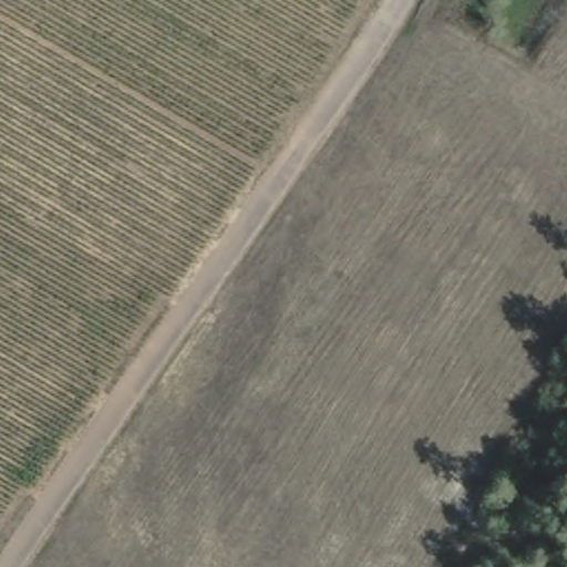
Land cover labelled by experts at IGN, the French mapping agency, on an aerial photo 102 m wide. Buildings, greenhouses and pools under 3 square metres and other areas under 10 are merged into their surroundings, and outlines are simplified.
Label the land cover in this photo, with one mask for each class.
<instances>
[{"label":"agricultural land","instance_id":"1","mask_svg":"<svg viewBox=\"0 0 567 567\"><path fill-rule=\"evenodd\" d=\"M467 0H416L405 24L399 29L385 55L357 93L339 126L312 155V159L301 171L288 195L281 199V204L277 206L264 230L257 235L239 266L224 281L219 295L208 306V312L215 317V323H195L175 346L166 363L159 368V374L155 377L153 385L135 405L117 436L104 447L95 467L86 474L84 483L73 494L71 503L58 518L51 536L44 540V545L40 547L29 567H439L434 554L439 549L467 551L474 543H485L496 551L505 547L501 543L503 534L498 529H489V523L481 516V505L485 503V496L489 492L496 489V483L501 478H507L503 474V467L512 461V456L518 450H527L534 441V427L520 430L516 421L523 425L527 421L529 408L538 401V394L545 388V383H563L567 388V0H540L536 9L527 13L518 40H514L509 33L507 38L496 40L489 33L494 27L492 20L474 29L465 20Z\"/></svg>","mask_w":567,"mask_h":567},{"label":"vineyard","instance_id":"2","mask_svg":"<svg viewBox=\"0 0 567 567\"><path fill-rule=\"evenodd\" d=\"M383 0H0V554L7 547L9 538L16 534L18 525L33 507L31 485L40 476L49 481L64 461L66 452L60 447V441L93 419V408L89 405V401L95 394L113 392L131 361L140 354L151 334L168 315L173 290L177 288L188 266L195 261L197 252L210 241L213 228L233 206L248 175L261 182V177L270 171L277 155L288 144L290 135L297 131V124L315 104L317 95L328 84L330 75L341 66L354 40L361 35L363 27L377 13Z\"/></svg>","mask_w":567,"mask_h":567},{"label":"impervious surface","instance_id":"3","mask_svg":"<svg viewBox=\"0 0 567 567\"><path fill-rule=\"evenodd\" d=\"M416 0H383L377 13L363 27L361 35L354 40L341 66L330 75L328 84L317 95L315 104L297 124V131L290 135L288 144L277 155L270 171L261 177V182L248 175L233 206L213 228L210 241L197 252L195 261L188 266L177 288L173 290L168 315L151 334L140 354L131 361L113 392L95 394L89 401V405L93 408V419L60 441V447L66 452L64 461L49 481L40 476L31 485L33 507L18 525L16 534L9 538L7 547L0 554V567H29L40 547L44 545V540L51 536L58 518L71 503L73 494L84 483L86 474L95 467L104 447L117 436L135 405L153 385L155 377L159 374V368L166 363L175 346L195 323H215V317L208 312V306L219 295L224 281L239 266L257 235L264 230L277 206L281 204V199L288 195L301 171L312 159V155L339 126L357 93L385 55L399 29L405 24Z\"/></svg>","mask_w":567,"mask_h":567},{"label":"coniferous trees","instance_id":"4","mask_svg":"<svg viewBox=\"0 0 567 567\"><path fill-rule=\"evenodd\" d=\"M520 430L534 427V441L527 450H518L512 456V461L503 467V474L507 478H501L496 483V489L489 492L485 496V503L481 505V516L489 523V529H498L503 534L501 543L505 547L496 551L485 543H474L467 551L439 549L434 554L439 567H567V388L563 383H545V388L538 394V401L529 408L527 421L523 425L516 421Z\"/></svg>","mask_w":567,"mask_h":567},{"label":"brushwood","instance_id":"5","mask_svg":"<svg viewBox=\"0 0 567 567\"><path fill-rule=\"evenodd\" d=\"M540 0H467L465 20L474 29L492 20L494 27L489 33L496 40L507 38L509 33L514 40H518L527 13L536 9Z\"/></svg>","mask_w":567,"mask_h":567}]
</instances>
